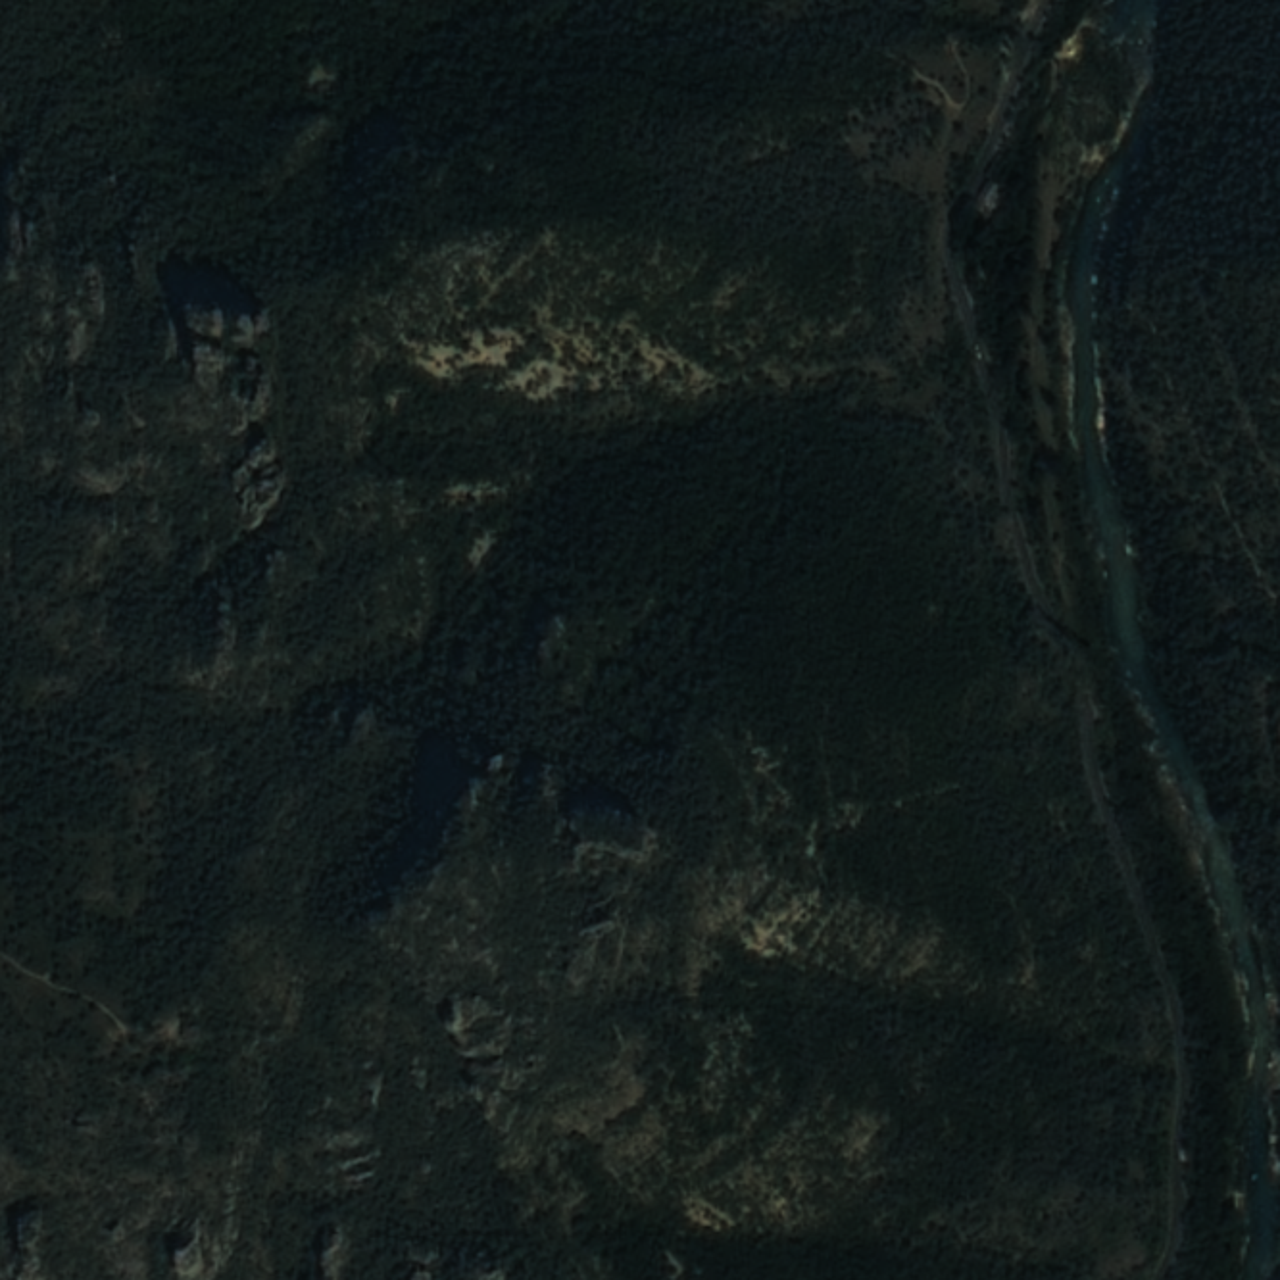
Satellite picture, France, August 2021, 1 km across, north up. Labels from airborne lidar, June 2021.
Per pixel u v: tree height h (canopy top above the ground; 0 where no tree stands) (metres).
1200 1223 16
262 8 13
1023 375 12
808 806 8
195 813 10
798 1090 9
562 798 9
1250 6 15
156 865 9
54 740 10
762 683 6
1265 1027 0
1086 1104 10
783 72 9
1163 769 0
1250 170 7
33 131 7
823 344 5
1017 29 11
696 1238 9
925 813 7
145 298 6
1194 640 19
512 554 14
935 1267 7
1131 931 9
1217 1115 20
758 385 7
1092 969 7
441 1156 6
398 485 9
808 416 9
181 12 10
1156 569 9
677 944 6
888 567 9
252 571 11
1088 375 0
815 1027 7
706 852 10
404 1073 8
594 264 7
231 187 9
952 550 7
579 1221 10
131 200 15
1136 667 0
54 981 7
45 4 8
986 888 9
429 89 16
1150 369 8
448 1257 13
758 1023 6
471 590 14
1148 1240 15
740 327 8
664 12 10
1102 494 0
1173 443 8
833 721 8
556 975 6
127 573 12
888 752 8
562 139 8
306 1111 6
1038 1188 5
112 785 9
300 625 10
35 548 7
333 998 6
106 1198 6
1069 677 8
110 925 9
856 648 9
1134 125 0
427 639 10
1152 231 11
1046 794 7
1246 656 21
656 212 8
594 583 7
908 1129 10
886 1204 7
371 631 7
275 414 8
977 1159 6
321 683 10
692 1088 8
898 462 8
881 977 6
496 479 10
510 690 13
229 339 12
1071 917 8
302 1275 6
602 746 15
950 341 8
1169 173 10
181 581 12
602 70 17
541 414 6
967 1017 6
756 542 12
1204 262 7
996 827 10
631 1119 10
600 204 8
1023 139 9
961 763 9
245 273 12
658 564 10
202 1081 10
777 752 7
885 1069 5
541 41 10
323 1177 7
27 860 10
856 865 8
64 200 10
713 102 10
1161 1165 9
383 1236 9
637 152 10
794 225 10
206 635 8
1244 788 14
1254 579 9
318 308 7
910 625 7
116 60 9
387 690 14
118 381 6
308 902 7
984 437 6
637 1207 8
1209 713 22
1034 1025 10
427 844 7
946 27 6
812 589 7
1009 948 8
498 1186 17
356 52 14
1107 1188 6
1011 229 19
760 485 7
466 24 10
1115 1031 12
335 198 10
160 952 7
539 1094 6
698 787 11
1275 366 6
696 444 12
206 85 10
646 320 7
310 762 8
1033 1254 7
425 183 7
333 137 8
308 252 7
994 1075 8
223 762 7
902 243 11
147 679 7
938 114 13
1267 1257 0
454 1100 6
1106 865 10
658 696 9
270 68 11
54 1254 6
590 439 12
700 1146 6
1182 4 24
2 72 12
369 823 15
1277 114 11
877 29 10
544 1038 8
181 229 9
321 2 11
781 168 10
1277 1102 6
